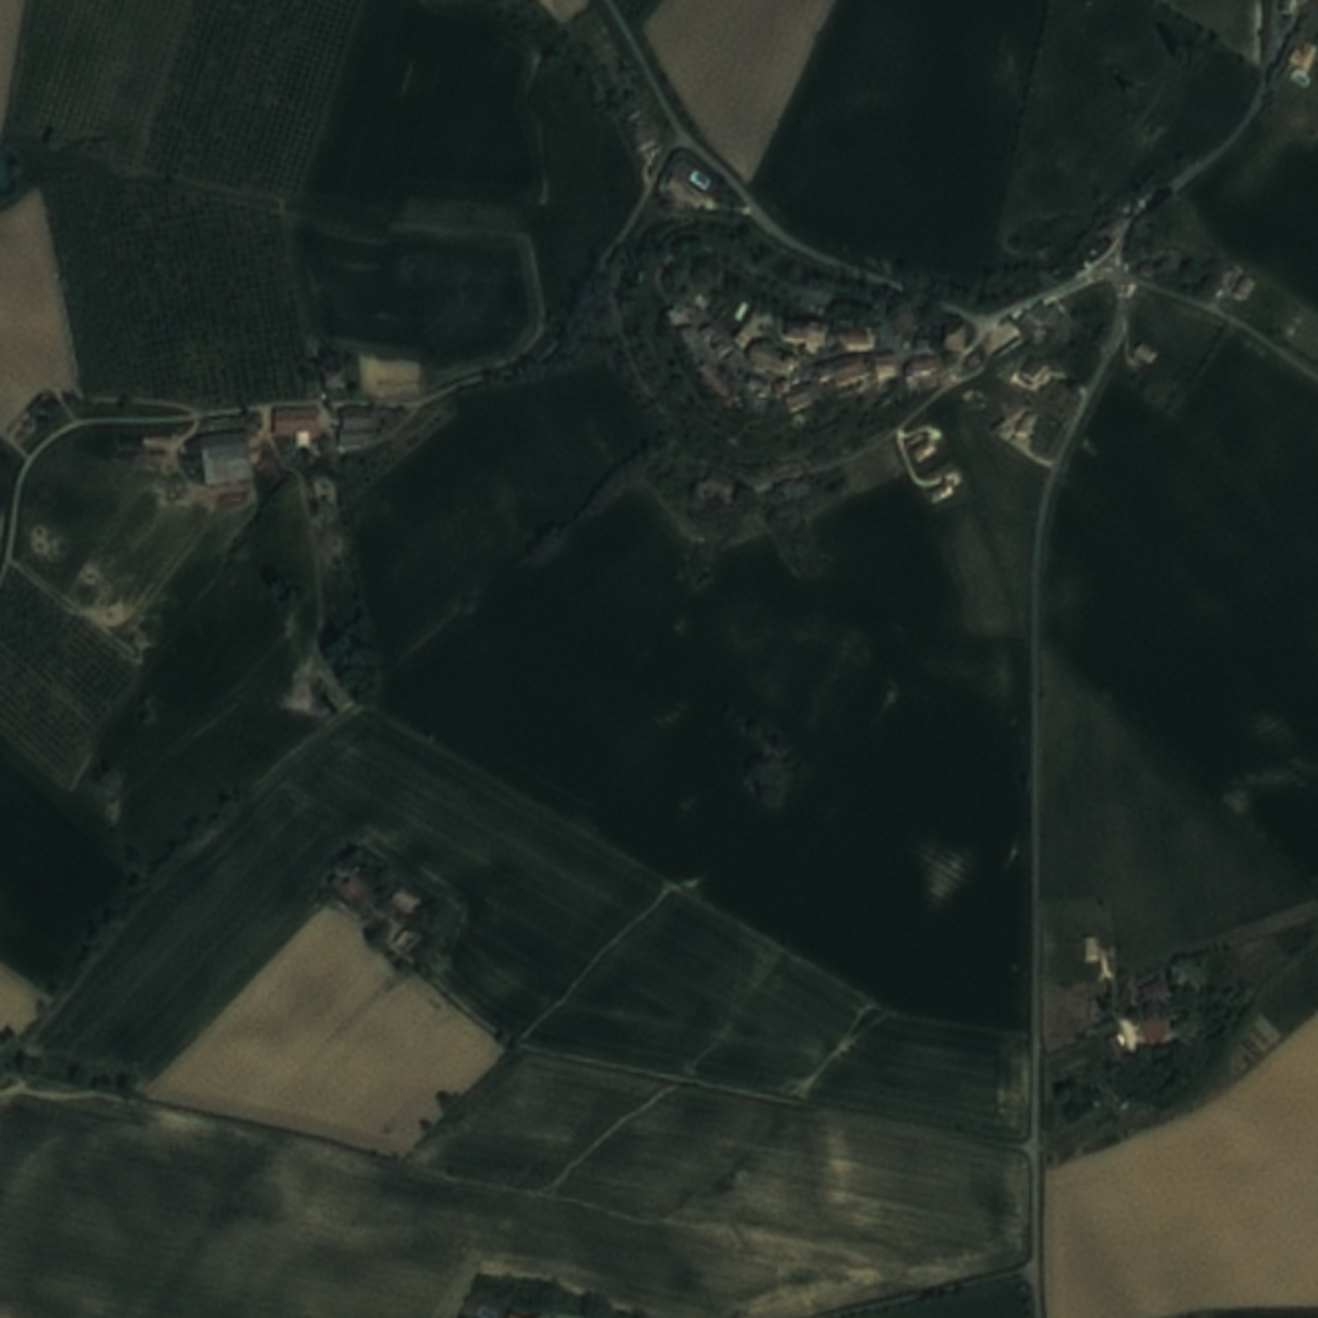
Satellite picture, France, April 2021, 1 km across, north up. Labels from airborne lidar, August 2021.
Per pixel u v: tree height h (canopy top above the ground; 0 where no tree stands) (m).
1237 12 0
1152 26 0
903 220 0
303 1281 0
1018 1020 0
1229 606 0
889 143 0
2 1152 0
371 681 21
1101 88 0
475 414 0
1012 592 0
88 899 0
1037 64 7
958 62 0
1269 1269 0
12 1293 0
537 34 0
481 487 0
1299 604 0
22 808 0
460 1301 0
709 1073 0
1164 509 0
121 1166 0
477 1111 0
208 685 0
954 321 7
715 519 10
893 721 0
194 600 0
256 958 0
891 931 0
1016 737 0
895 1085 0
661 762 0
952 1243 0
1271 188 0
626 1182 0
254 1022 0
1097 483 0
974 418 0
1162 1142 0
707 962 0
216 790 0
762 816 0
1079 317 7
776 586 0
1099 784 0
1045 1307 0
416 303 0
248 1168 0
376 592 0
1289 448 0
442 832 0
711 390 11
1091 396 0
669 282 8
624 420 0
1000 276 6
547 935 0
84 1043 0
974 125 0
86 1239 0
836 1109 0
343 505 9
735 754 0
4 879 0
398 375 0
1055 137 0
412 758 0
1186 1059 12
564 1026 0
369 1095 0
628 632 0
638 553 0
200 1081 0
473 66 0
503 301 0
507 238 0
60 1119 0
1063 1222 0
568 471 0
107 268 6
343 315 0
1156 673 0
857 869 0
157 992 0
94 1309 0
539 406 0
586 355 14
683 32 0
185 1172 0
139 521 0
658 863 0
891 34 0
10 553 0
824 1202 0
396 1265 0
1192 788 0
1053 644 0
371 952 0
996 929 0
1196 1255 0
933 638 0
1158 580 0
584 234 0
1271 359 0
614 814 0
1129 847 0
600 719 0
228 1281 0
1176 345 0
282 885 0
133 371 6
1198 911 0
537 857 0
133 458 0
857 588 0
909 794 0
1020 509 0
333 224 0
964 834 0
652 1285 0
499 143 0
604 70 12
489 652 0
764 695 0
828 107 0
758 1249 0
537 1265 0
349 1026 0
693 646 0
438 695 0
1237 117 0
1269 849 0
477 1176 0
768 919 0
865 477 0
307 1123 0
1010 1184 0
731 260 9
